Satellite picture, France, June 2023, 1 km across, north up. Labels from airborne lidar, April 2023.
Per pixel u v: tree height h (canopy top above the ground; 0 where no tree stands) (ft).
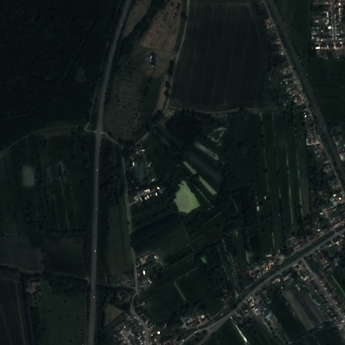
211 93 0
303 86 0
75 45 65
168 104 0
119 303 0
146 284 0
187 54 0
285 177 0
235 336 0
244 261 0
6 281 0
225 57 0
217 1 0
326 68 0
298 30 0
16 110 53
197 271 0
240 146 60
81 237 0
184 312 34
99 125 0
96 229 0
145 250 0
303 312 0
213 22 0
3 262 0
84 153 19
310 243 0
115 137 0
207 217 0
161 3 65
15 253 0
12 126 40
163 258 0
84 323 0
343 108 0
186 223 0
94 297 0
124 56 24
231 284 38
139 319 0
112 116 0
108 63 0
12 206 0
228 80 0
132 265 0
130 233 0
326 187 52
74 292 65
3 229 0
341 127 0
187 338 0
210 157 0
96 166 0
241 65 0
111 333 0
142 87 0
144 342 0
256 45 0
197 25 0
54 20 89
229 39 0
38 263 0
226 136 0
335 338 0
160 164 0
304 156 0
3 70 92
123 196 18
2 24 76
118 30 0
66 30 82
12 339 0
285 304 0
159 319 0
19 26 81
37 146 26
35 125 27
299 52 0
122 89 0
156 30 0
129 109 0
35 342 58
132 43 20
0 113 64
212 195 0
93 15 73
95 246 0
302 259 0
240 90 0
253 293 0
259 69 0
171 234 0
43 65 81
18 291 0
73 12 73
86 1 83
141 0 0
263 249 0
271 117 0
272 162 0
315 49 44
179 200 0
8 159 0
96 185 0
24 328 0
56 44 80
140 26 52
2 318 0
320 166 0
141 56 0
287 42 0
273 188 0
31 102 73
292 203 0
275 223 0
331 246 0
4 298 0
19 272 52
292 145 0
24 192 0
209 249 53
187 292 0
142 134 0
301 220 45
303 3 0
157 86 0
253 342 0
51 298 0
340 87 0
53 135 0
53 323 0
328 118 0
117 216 0
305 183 0
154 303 0
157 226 75
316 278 0
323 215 0
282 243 0
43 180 35
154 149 0
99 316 0
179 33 0
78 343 0
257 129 0
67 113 37
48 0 81
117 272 0
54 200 0
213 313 0
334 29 0
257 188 0
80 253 0
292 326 0
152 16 29
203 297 0
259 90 0
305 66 0
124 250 0
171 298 0
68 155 0
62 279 58
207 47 0
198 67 0
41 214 0
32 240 0
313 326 0
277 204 0
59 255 0
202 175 0
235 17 0
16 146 20
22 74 80
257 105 0
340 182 0
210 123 66
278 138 0
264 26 0
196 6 0
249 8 0
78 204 0
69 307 0
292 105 27
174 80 0
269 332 0
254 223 55
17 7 85
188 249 0
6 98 79
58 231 32
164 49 0
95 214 0
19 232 0
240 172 0
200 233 0
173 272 0
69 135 0
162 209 0
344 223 0
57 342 0
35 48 78
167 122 0
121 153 0
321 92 0
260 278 0
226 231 61
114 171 47
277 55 0
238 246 0
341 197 0
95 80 39
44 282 0
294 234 38
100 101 0
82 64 21
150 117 0
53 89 71
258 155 0
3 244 0
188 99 0
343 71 0
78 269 0
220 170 0
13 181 0
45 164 0
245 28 0
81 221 0
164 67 0
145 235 93
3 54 88
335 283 0
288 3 0
